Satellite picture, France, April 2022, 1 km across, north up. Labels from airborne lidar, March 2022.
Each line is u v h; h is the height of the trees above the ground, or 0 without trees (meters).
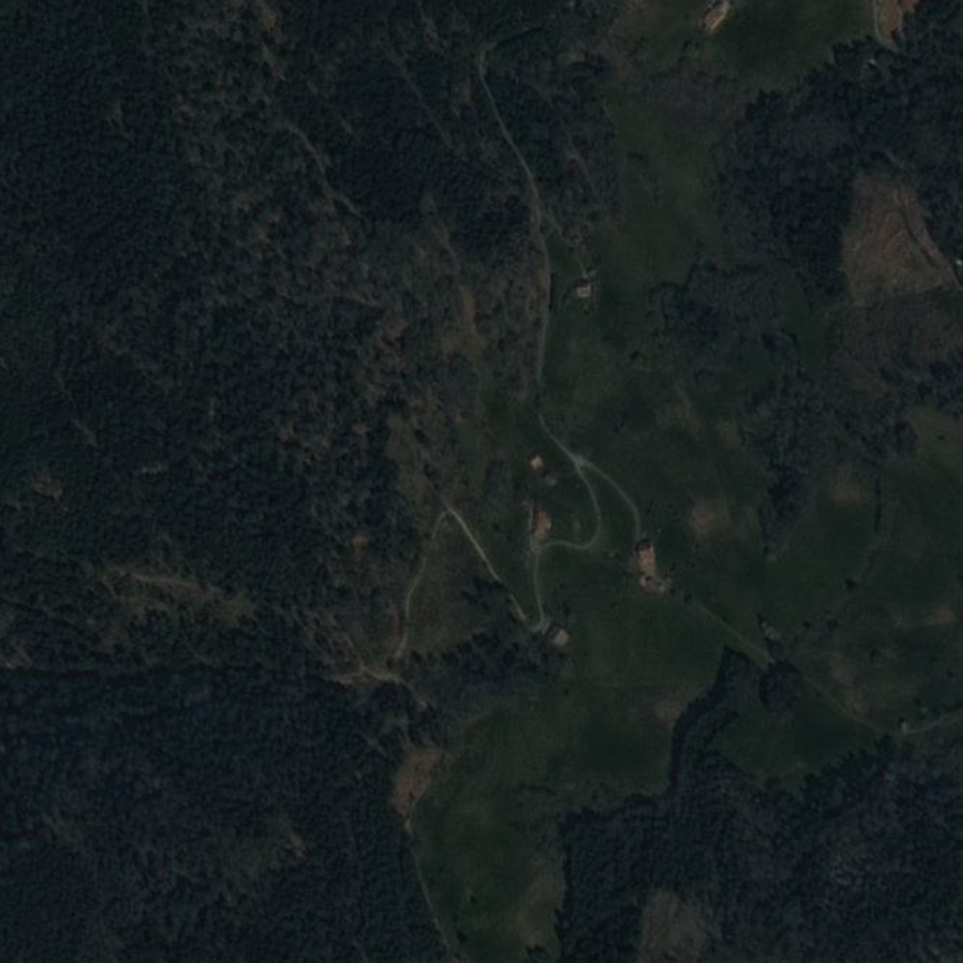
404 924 28
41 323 9
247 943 25
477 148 17
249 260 27
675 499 0
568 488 0
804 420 23
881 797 19
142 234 25
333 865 24
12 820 26
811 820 20
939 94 26
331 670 11
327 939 17
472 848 0
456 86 14
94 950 16
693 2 0
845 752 0
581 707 0
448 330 7
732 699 33
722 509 0
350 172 25
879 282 0
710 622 0
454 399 29
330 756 28
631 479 0
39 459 15
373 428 28
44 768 25
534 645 16
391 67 25
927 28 20
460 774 0
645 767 0
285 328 15
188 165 26
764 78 0
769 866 26
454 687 25
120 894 22
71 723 22
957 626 0
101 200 26
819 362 0
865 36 0
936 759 6
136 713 28
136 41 19
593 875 32
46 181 30
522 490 10
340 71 19
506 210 26
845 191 16
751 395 9
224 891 22
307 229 35
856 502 0
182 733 22
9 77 24
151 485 15
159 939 16
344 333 21
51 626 31
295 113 17
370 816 21
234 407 24
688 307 29
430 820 0
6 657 18
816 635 20
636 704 0
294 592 23
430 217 27
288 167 29
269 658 25
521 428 0
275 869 22
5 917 18
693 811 27
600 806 12
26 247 20
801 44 0
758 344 7
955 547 0
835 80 22
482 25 20
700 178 0
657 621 0
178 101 27
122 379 11
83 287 20
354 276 29
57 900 14
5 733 25
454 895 0
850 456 16
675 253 0
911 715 0
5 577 19
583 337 0
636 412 0
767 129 24
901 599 0
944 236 26
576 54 25
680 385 0
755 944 22
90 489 21
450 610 0
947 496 0
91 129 30
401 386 15
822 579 0
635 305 0
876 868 21
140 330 20
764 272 20
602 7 16
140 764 23
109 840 26
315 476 29
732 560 0
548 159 27
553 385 0
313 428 29
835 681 0
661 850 25
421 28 22
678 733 0
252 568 27
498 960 0
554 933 0
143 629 8
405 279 16
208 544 21
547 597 0
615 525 0
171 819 24
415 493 0
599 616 0
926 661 0
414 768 0
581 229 21
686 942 0
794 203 23
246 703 24
